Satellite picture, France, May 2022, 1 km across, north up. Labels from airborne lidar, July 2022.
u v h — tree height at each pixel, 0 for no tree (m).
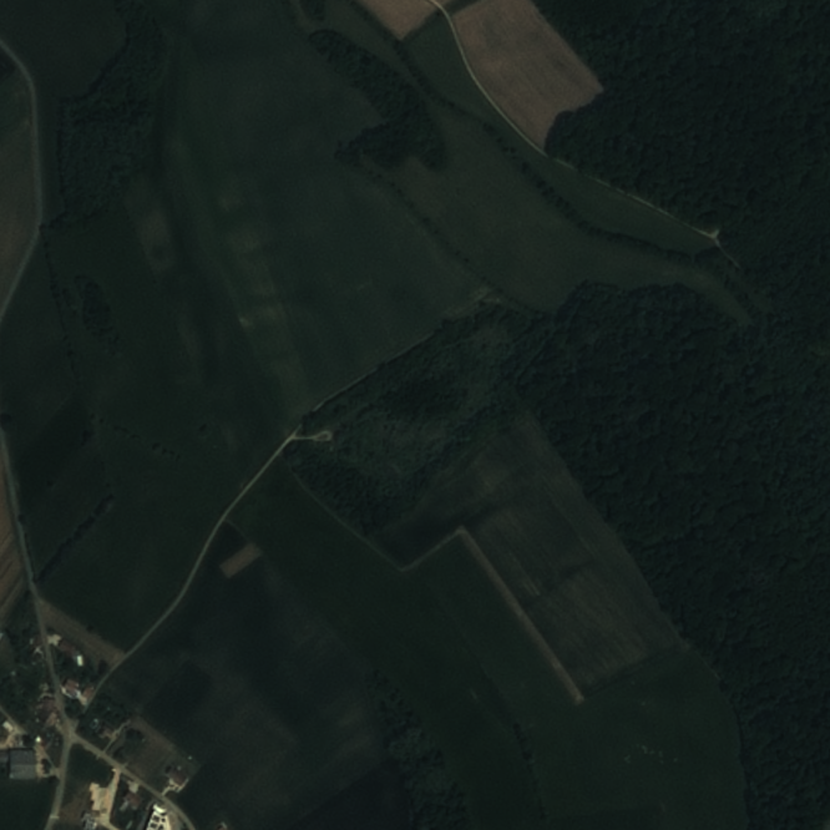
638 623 0
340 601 0
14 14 0
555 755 0
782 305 21
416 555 0
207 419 0
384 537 0
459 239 0
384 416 8
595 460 25
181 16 0
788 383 24
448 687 0
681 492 28
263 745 0
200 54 0
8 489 0
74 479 0
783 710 27
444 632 0
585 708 0
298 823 0
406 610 0
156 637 0
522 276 0
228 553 0
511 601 0
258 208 0
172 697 0
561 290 0
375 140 18
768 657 21
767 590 13
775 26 28
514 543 0
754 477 27
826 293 18
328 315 0
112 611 0
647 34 27
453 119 0
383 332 0
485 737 0
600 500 24
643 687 0
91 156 26
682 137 22
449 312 0
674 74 27
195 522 0
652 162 22
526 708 0
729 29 25
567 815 0
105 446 0
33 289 0
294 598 0
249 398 0
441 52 0
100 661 0
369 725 0
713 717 0
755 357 18
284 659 0
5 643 0
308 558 0
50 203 0
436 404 10
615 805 0
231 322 0
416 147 20
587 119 18
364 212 0
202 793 0
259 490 0
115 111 17
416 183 0
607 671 0
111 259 0
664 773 0
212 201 0
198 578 0
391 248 0
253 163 0
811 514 25
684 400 29
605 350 29
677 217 13
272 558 0
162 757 0
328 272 0
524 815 0
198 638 0
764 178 29
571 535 0
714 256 17
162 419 0
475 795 0
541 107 0
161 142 0
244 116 0
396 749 17
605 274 0
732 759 0
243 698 0
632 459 26
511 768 0
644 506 27
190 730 0
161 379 0
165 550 0
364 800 0
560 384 22
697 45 25
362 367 0
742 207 17
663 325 28
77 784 0
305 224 0
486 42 0
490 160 0
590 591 0
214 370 0
